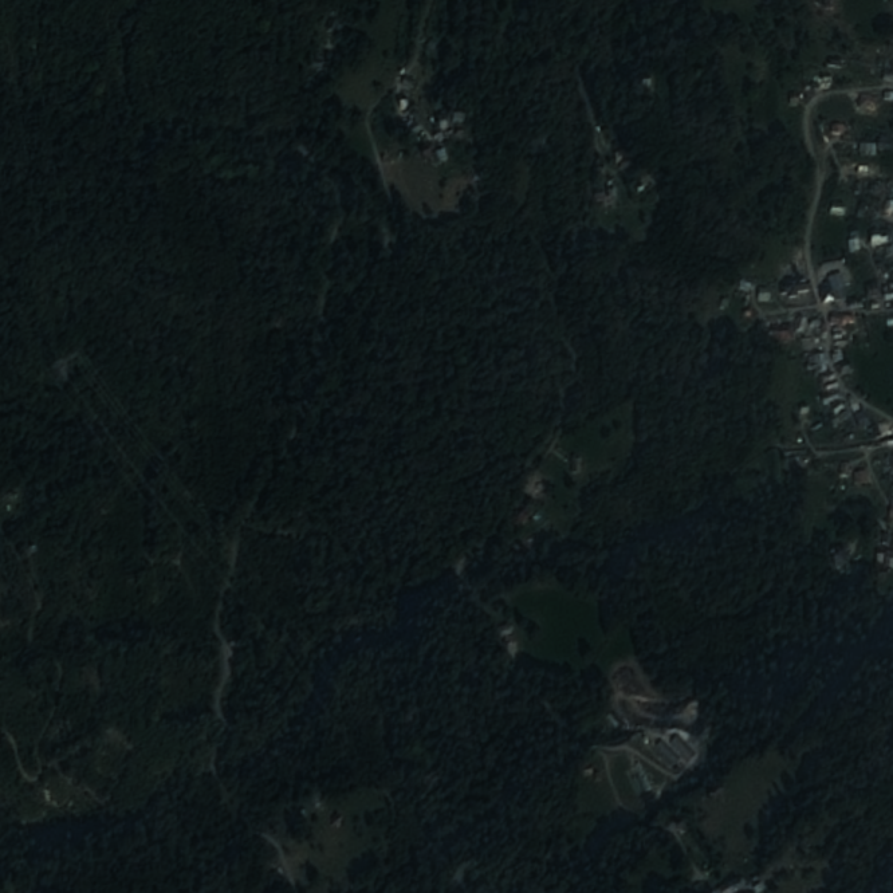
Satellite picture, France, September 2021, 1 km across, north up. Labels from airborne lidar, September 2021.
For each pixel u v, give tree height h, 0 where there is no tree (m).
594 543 30
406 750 33
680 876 10
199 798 15
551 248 22
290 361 9
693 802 0
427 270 28
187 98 27
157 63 19
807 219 14
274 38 15
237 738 13
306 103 28
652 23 32
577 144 21
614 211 0
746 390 27
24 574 8
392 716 8
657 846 16
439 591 25
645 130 23
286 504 25
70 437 24
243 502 25
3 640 9
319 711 23
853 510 16
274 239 28
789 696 14
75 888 13
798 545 17
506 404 32
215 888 21
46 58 16
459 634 23
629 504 19
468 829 29
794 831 17
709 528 36
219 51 24
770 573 28
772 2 28
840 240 0
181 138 28
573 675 15
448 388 34
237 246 23
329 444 20
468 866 18
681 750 0
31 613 9
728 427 21
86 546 24
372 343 32
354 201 29
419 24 13
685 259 15
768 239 11
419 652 31
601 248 26
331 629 13
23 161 28
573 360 11
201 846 23
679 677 22
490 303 36
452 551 26
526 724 19
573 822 26
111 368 28
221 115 26
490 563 34
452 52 23
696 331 16
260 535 7
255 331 10
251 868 11
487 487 24
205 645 6
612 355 17
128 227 28
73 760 14
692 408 21
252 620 23
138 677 23
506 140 13
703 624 8
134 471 24
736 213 12
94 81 31
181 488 7
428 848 18
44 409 22
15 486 8
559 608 0
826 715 23
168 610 8
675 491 19
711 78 10
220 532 17
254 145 26
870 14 0
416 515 23
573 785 23
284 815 0
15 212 33
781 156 15
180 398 26
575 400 31
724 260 9
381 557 16
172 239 20
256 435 8
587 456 0
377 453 24
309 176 26
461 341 28
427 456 30
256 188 24
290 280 26
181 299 27
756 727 9
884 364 0
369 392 34
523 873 33
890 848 30
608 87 29
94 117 32
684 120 26
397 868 16
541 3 24
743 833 0
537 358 24
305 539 9
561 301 16
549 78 24
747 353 22
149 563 15
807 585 29
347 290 33
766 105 0
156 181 27
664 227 14
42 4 21
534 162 9
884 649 22
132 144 27
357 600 19
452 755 27
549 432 12
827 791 23
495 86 8
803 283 0
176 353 24
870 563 6
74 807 7
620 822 0
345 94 0
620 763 0
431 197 0
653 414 20
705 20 28
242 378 9
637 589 22
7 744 7
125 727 26
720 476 15
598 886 32
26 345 22
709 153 28
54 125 31
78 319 25
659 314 28
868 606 35
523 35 19
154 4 19
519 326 32
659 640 21
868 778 21
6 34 21
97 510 26
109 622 8
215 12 22
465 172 6
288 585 11
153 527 25
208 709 9
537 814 25
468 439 28
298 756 10
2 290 20
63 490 24
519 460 23
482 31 29
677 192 27
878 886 25
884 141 0
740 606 33
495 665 21
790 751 22
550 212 22
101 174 40
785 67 10
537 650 0
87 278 23
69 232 31
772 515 24
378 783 12
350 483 27
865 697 23
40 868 20
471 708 19
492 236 25
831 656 18
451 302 34
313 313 30
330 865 0
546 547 29
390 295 30
